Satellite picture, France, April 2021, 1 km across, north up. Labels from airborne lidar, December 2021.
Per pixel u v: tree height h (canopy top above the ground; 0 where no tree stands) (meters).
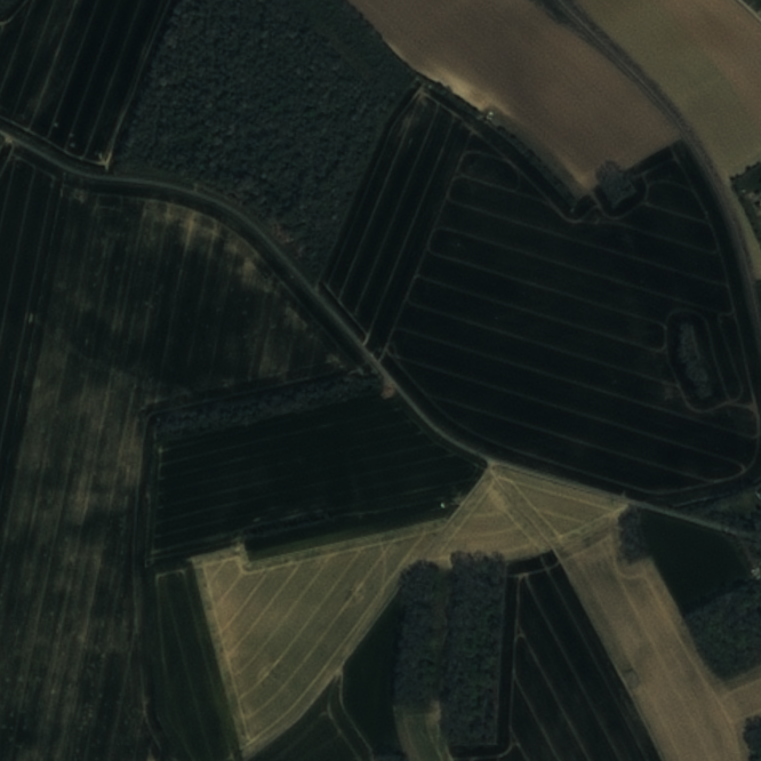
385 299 0
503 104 0
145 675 0
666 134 0
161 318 0
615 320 0
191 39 9
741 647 25
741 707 0
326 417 0
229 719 0
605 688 0
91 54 0
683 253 0
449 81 0
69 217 0
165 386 0
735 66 0
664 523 0
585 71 0
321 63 15
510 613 0
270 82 12
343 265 0
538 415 0
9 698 0
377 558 0
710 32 0
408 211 0
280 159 19
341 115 12
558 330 0
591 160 0
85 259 0
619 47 0
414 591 18
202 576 0
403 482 0
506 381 0
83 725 0
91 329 0
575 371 0
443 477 0
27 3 0
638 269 0
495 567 19
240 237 0
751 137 0
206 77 12
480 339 0
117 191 0
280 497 0
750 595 24
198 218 0
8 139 0
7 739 0
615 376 0
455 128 0
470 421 0
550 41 0
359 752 0
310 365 0
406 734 0
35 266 0
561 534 0
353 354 0
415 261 0
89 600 0
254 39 13
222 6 13
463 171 0
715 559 0
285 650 0
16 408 0
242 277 0
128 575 0
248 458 0
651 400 0
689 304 0
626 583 0
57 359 0
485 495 0
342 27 7
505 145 0
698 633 22
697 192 0
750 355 0
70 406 0
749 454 0
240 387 0
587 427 0
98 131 0
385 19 0
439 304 0
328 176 11
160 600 0
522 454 0
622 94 0
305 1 5
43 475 0
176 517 0
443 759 0
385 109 12
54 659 0
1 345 0
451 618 21
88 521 0
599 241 0
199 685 0
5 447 0
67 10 0
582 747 0
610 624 0
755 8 0
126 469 0
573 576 0
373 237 0
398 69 6
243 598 0
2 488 0
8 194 0
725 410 0
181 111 14
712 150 0
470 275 0
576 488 0
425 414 0
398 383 0
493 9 0
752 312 0
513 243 0
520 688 0
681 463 0
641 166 0
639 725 0
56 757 0
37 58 0
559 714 0
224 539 0
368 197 0
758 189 0
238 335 0
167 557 0
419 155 0
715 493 0
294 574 0
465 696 27
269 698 0
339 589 0
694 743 0
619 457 0
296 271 0
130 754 0
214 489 0
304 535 0
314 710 0
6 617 0
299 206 16
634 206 0
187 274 0
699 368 21
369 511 0
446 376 0
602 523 0
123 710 0
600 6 0
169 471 0
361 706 0
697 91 0
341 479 0
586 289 0
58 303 0
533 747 0
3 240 0
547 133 0
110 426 0
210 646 0
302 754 0
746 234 0
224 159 16
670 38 0
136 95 0
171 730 0
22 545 0
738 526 19
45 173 0
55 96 0
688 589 0
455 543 0
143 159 12
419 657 24
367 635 0
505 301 0
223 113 19
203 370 0
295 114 14
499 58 0
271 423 0
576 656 0
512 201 0
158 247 0
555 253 0
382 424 0
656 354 0
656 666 0
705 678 0
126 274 0
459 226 0
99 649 0
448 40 0
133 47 0
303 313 0
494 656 23
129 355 0
